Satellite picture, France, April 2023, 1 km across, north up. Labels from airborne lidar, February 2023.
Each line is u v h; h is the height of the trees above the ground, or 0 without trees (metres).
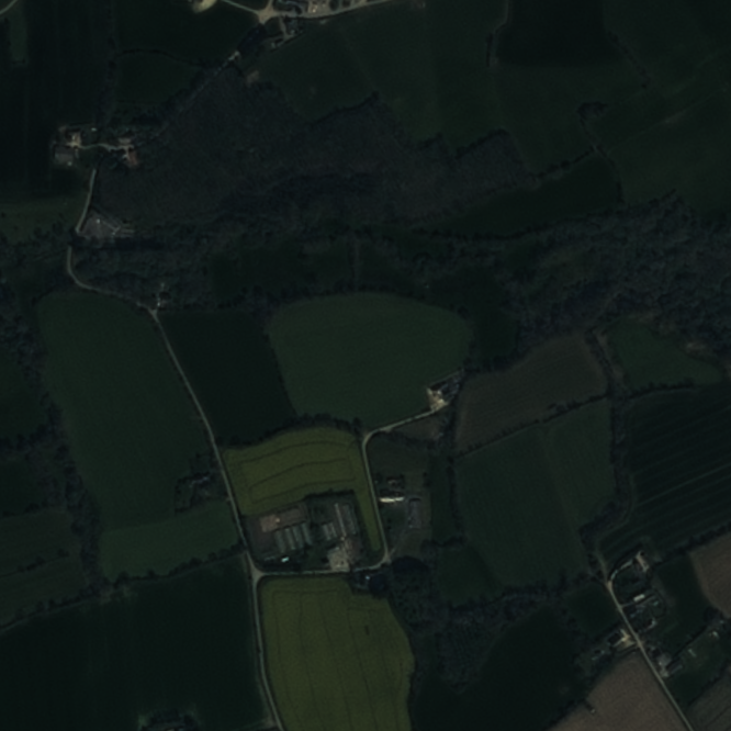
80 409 0
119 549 0
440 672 14
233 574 0
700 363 0
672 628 0
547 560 0
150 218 12
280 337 0
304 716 0
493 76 0
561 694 0
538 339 25
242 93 16
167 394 0
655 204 13
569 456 0
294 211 8
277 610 0
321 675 0
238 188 16
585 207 0
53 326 0
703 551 0
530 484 0
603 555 0
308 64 0
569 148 0
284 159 18
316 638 0
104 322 0
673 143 0
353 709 0
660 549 0
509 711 0
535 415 0
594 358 12
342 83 0
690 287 7
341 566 0
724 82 0
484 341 0
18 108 0
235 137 17
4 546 0
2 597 0
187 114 16
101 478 0
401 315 0
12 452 18
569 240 16
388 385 0
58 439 17
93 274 8
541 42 0
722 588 0
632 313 11
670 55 0
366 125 17
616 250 17
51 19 0
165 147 16
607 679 0
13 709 0
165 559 0
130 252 24
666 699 0
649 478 0
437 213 13
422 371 0
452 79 0
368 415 0
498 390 0
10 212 0
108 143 10
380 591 21
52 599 0
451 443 14
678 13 0
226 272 0
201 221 13
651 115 0
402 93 0
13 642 0
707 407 0
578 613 0
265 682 0
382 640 0
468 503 0
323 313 0
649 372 0
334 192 18
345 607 0
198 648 0
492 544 0
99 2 0
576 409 9
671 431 0
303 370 0
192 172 15
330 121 16
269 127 19
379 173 19
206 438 6
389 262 14
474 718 0
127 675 0
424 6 0
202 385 0
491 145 14
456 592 0
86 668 0
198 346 0
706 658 0
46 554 0
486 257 24
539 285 0
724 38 0
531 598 12
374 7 0
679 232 28
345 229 29
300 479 0
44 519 0
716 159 0
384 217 13
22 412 0
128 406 0
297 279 0
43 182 0
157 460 0
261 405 0
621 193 12
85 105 0
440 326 0
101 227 0
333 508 0
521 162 14
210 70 17
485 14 0
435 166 17
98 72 0
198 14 0
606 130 0
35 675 0
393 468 0
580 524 0
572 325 27
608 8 0
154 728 11
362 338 0
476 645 9
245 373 0
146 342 0
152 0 0
